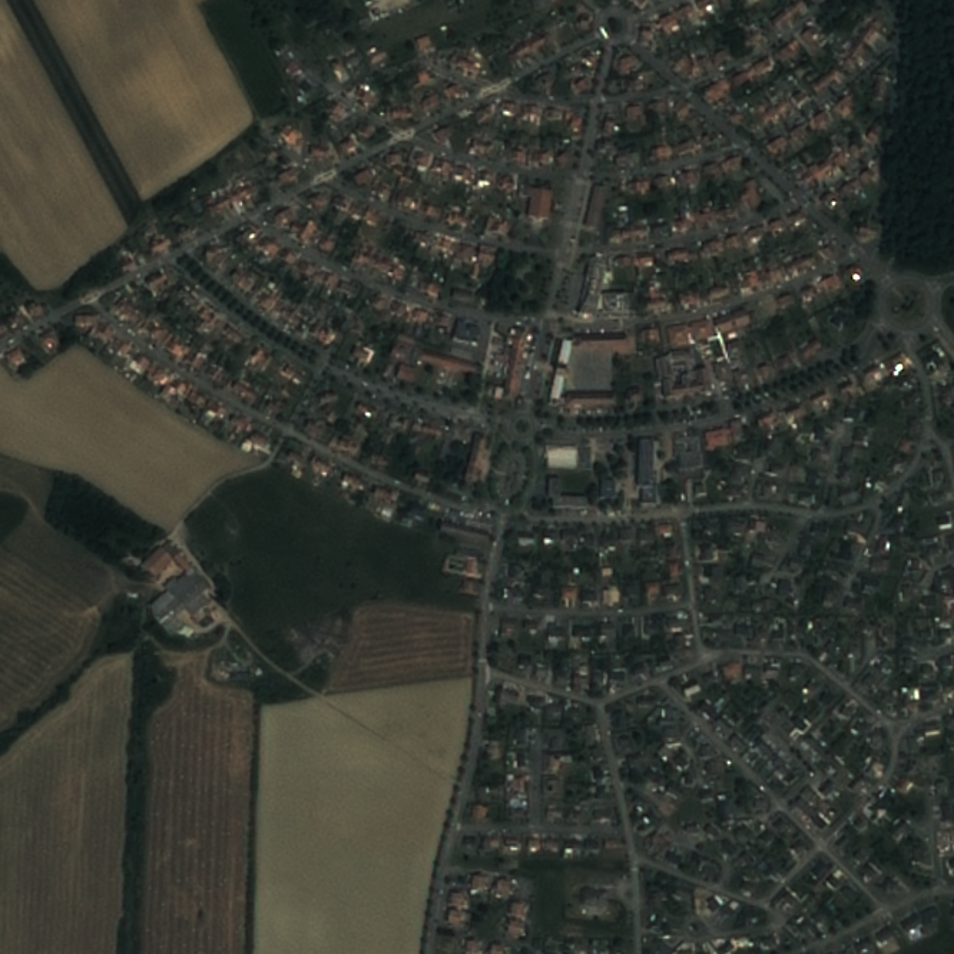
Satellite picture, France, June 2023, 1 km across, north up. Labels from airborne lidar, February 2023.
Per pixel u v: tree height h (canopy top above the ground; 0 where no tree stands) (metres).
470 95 0
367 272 0
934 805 0
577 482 0
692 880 0
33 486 0
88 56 0
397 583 0
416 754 0
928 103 23
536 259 8
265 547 0
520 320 0
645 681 0
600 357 0
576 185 0
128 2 0
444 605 0
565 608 0
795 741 0
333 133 0
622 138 8
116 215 0
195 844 0
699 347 0
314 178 0
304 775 0
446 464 8
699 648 0
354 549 0
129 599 0
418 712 0
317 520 0
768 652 0
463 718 0
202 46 0
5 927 0
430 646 0
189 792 0
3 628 0
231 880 0
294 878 0
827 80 0
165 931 0
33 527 0
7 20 0
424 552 0
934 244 23
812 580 12
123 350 0
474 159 0
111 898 0
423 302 0
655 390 0
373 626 0
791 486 0
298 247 0
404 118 0
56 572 0
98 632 0
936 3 25
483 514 0
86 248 0
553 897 0
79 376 0
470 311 0
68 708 0
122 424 0
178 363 0
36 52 0
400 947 0
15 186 0
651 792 0
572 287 0
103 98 0
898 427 0
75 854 0
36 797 0
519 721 9
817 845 0
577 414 0
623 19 0
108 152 0
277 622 0
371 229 0
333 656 0
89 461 0
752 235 0
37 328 0
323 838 0
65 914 0
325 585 0
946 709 0
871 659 0
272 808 0
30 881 0
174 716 0
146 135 0
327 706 0
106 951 0
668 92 0
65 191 0
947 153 25
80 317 0
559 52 0
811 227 0
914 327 0
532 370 0
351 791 0
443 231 0
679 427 0
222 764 0
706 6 0
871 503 0
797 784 0
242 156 0
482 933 0
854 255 0
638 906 0
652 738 6
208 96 0
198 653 0
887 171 19
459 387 0
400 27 0
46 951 0
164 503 0
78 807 0
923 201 23
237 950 0
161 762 0
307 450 0
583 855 0
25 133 0
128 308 0
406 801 0
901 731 0
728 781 0
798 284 0
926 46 20
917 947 0
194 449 0
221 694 0
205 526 0
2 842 0
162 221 0
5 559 0
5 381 0
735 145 0
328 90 0
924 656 0
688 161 0
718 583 0
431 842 0
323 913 0
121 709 0
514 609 0
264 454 0
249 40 0
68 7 0
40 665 0
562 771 0
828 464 0
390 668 0
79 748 0
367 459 6
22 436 0
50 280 0
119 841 0
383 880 0
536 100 0
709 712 0
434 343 0
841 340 0
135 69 0
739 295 0
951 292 0
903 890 0
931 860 0
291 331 0
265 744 0
